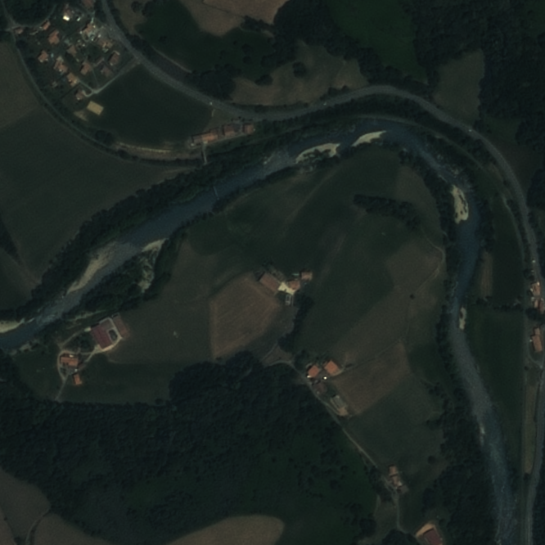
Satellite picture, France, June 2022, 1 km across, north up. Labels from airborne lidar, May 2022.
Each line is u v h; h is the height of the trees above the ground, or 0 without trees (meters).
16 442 23
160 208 16
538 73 26
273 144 16
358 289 0
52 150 0
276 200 0
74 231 0
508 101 19
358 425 0
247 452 8
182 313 0
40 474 10
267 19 0
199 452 11
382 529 0
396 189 0
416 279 0
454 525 16
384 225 0
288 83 0
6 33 13
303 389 16
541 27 0
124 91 0
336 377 0
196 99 0
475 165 11
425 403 0
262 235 0
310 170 8
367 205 15
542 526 12
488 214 22
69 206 0
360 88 0
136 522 7
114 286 17
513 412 0
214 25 0
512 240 0
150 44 14
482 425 0
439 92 0
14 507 0
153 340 0
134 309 11
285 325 0
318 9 17
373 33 0
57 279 27
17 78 0
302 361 17
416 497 0
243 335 0
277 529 0
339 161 13
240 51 0
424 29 19
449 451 17
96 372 0
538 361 0
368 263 0
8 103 0
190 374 25
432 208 0
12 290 0
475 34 28
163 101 0
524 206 0
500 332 0
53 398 0
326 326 0
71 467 13
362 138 0
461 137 18
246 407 20
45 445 22
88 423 15
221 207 10
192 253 0
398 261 0
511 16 21
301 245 0
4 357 23
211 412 14
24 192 0
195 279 0
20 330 0
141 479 13
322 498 11
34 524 0
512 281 0
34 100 0
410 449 0
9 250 12
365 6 0
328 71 0
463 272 0
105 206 0
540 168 0
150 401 0
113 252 0
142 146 0
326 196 0
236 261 0
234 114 0
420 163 19
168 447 20
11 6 15
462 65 0
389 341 0
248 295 0
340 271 0
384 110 18
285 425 14
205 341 0
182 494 9
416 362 0
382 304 0
